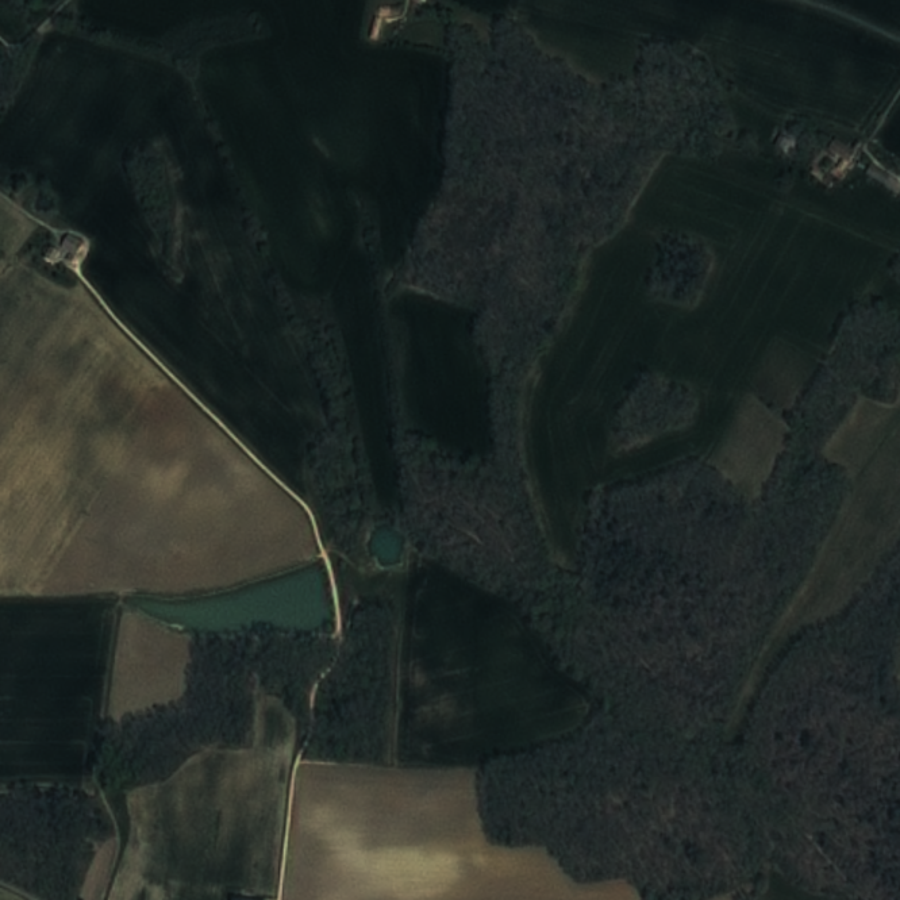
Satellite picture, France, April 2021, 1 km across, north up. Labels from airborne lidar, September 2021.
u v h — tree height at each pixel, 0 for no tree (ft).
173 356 0
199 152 0
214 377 0
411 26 0
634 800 38
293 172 0
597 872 34
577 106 70
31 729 0
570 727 0
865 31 0
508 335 60
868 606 48
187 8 0
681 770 61
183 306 0
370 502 33
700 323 0
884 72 0
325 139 0
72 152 0
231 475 0
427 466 20
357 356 0
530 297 36
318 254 0
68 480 0
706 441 0
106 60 0
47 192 31
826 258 0
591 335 0
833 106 0
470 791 0
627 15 0
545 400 0
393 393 23
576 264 55
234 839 0
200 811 0
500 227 31
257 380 0
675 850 66
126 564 0
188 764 0
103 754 73
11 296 0
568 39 0
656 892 50
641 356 0
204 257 0
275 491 0
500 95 51
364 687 76
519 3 0
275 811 0
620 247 0
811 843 34
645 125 48
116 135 0
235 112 0
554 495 0
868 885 43
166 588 0
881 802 24
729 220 0
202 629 0
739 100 0
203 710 69
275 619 0
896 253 0
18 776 0
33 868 49
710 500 53
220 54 0
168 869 0
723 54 0
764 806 52
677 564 41
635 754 61
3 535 0
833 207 0
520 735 0
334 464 67
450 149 74
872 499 0
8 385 0
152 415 0
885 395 46
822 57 0
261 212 0
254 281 0
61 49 0
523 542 45
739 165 0
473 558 39
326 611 0
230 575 0
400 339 0
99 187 0
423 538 31
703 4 0
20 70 30
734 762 72
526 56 66
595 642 51
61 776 0
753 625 59
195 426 0
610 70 0
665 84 61
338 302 0
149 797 0
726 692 47
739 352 0
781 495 57
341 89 0
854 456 0
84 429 0
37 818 42
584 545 41
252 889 0
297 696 67
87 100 0
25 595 0
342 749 63
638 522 44
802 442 52
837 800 41
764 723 58
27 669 0
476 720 0
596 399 0
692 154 62
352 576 0
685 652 30
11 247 0
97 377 0
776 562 42
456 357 0
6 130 0
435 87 0
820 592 0
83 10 0
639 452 0
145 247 0
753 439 0
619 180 39
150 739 58
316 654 57
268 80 0
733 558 45
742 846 69
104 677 0
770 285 0
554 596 68
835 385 60
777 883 0
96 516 0
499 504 47
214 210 0
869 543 0
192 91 0
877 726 32
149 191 54
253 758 0
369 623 76
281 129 0
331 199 0
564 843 43
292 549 0
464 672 0
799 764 28
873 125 0
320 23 0
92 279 0
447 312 0
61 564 0
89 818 52
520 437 54
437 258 49
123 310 0
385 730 72
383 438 0
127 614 0
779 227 0
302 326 37
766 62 0
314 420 0
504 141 54
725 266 0
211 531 0
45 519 0
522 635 0
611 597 77
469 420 0
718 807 59
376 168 0
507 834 45
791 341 0
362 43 0
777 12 0
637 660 41
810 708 33
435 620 0
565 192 81
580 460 0
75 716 0
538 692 0
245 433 0
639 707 76
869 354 50
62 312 0
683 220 0
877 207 0
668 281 40
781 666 62
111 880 0
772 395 0
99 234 0
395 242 0
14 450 0
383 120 0
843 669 28
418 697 0
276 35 0
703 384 0
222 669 58
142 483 0
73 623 0
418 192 0
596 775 49
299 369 0
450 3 26
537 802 64
